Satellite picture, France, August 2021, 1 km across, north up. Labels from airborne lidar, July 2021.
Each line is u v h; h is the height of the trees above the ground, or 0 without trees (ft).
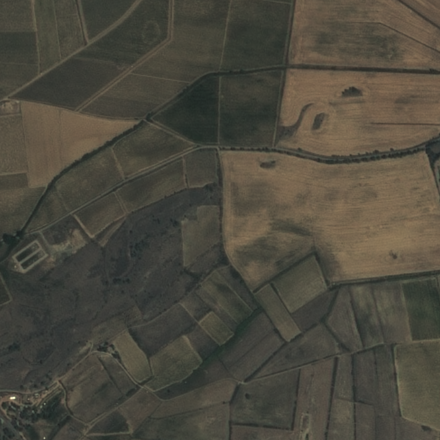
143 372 0
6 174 0
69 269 0
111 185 0
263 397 0
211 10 0
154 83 0
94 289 0
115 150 0
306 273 0
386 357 0
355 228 0
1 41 0
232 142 0
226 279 0
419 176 0
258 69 0
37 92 0
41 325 0
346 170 0
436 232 0
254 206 0
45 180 0
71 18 0
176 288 0
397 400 0
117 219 0
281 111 0
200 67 0
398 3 0
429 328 0
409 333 0
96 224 0
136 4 0
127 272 0
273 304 0
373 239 0
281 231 0
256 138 0
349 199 0
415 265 0
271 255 0
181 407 0
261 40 0
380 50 0
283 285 0
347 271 0
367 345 0
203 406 0
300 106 0
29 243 0
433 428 0
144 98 0
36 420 31
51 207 0
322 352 0
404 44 0
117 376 0
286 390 0
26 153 0
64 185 0
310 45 0
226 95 0
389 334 0
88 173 0
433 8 0
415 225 0
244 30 0
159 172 0
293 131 0
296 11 0
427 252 0
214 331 0
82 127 0
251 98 0
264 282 0
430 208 0
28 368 0
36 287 0
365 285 0
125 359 0
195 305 0
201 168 0
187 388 0
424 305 0
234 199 0
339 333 0
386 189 0
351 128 0
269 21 0
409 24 0
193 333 0
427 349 0
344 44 0
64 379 0
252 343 0
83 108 0
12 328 0
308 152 0
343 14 0
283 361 0
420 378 0
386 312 0
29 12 0
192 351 0
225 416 0
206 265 0
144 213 0
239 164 0
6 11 0
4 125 0
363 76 0
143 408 0
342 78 0
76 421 0
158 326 0
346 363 0
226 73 0
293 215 0
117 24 0
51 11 0
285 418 0
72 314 0
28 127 0
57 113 0
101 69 0
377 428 0
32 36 0
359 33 0
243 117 0
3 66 0
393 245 0
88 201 0
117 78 0
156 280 0
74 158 0
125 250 0
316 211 0
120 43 0
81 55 0
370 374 0
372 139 0
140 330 0
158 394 0
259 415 0
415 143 0
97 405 0
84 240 0
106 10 0
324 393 0
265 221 0
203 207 0
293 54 0
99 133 0
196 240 0
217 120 0
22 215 0
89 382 0
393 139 0
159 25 0
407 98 0
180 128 0
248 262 0
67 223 0
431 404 0
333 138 0
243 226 0
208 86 0
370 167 0
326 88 0
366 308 0
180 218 0
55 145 0
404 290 0
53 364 0
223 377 0
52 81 0
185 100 0
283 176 0
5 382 0
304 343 0
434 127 0
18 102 0
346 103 0
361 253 0
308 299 0
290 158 0
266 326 0
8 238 59
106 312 0
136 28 0
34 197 0
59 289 0
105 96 0
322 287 0
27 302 0
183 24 0
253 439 0
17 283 0
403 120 0
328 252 0
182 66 0
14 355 0
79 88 0
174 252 0
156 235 0
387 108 0
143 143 0
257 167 0
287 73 0
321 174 0
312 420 0
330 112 0
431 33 0
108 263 0
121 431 0
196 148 0
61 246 0
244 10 0
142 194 0
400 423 0
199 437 0
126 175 0
